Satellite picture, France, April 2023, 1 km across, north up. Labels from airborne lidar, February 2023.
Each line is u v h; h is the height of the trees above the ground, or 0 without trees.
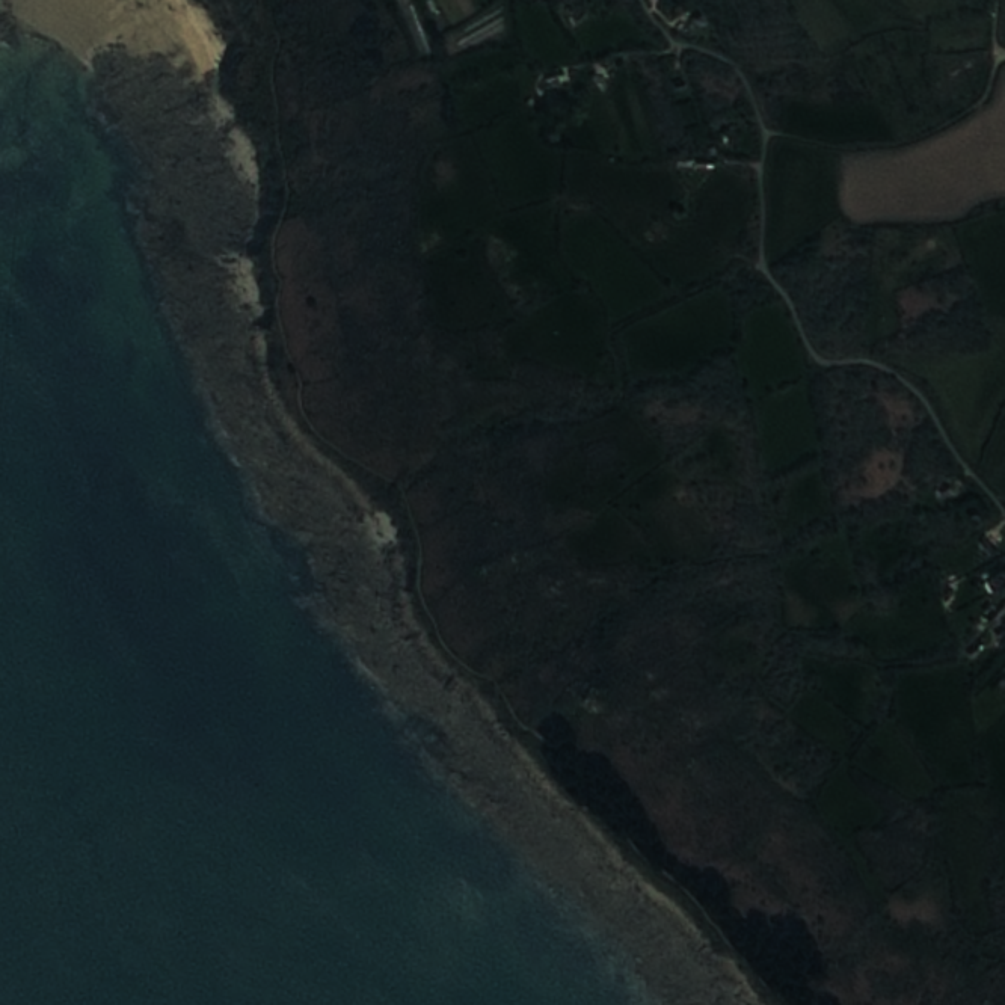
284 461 0
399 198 0
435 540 0
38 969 0
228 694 0
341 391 0
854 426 9
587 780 19
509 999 0
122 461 0
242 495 0
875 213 0
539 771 0
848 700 0
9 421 0
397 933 0
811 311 10
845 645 8
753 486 7
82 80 0
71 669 0
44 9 0
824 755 8
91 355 0
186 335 0
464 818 0
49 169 0
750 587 7
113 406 0
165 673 0
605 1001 0
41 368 0
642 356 0
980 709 0
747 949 17
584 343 0
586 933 0
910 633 0
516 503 0
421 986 0
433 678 0
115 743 0
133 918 0
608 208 0
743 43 21
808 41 12
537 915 0
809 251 6
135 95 0
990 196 0
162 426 0
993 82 0
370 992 0
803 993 23
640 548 0
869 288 7
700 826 0
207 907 0
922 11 0
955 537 12
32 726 0
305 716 0
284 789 0
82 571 0
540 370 0
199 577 0
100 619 0
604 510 0
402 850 0
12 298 0
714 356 7
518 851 0
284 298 0
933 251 0
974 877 0
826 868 0
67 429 0
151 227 0
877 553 0
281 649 0
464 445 10
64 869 0
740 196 0
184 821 0
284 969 0
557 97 11
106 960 0
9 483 0
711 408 9
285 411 0
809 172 0
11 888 0
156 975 0
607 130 0
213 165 0
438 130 0
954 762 0
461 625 0
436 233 0
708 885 20
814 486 0
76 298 0
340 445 0
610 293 0
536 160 0
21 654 0
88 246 0
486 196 0
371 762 0
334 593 0
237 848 0
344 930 0
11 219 0
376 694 0
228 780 0
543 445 0
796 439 0
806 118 0
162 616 0
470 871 0
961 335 11
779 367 0
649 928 0
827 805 0
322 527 0
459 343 0
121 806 0
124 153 0
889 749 0
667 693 0
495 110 0
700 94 6
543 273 0
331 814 0
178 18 0
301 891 0
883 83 0
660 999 0
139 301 0
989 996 0
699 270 0
